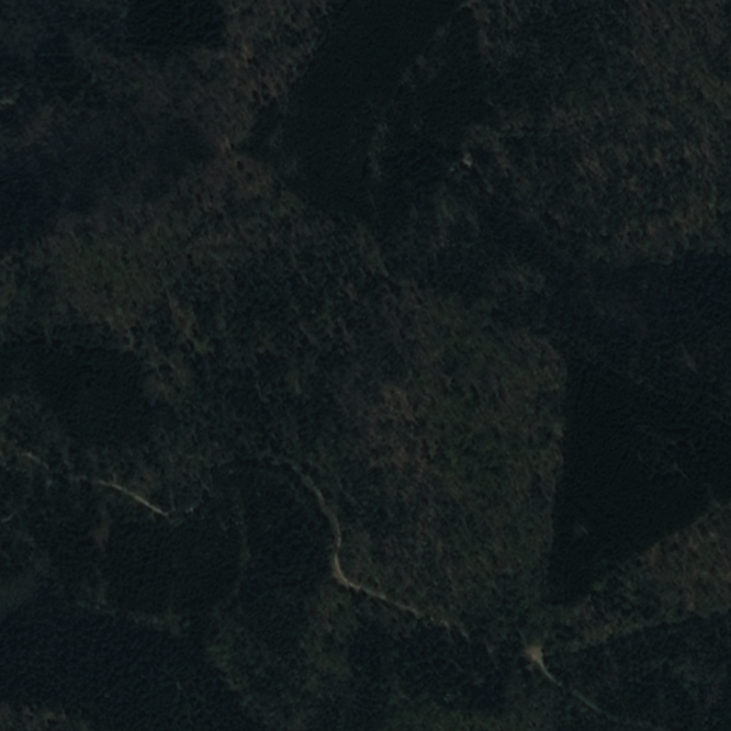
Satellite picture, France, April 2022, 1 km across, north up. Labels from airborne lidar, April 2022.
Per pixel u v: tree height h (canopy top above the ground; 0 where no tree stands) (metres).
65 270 20
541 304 21
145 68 22
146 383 22
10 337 22
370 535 15
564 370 21
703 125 26
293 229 26
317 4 26
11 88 29
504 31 13
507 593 22
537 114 24
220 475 23
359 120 16
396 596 18
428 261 18
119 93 13
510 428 24
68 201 12
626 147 21
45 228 16
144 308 16
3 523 20
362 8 20
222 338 10
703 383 25
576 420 20
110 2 18
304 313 25
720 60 24
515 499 22
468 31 14
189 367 24
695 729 24
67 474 21
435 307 21
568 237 22
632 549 18
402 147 18
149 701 31
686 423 14
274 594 27
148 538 20
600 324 17
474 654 39
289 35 26
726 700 28
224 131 16
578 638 19
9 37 19
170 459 19
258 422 30
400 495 17
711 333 19
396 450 14
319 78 18
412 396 20
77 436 21
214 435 27
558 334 17
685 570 25
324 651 25
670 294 15
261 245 22
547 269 22
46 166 13
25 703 15
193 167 10
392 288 18
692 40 23
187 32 20
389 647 28
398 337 16
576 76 22
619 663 20
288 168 16
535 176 25
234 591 24
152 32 22
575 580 17
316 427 25
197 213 16
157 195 12
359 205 18
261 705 18
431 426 17
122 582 19
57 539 19
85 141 18
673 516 19
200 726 30
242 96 15
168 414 34
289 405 24
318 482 20
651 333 20
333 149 18
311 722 24
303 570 22
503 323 21
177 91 26
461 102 17
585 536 13
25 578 14
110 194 15
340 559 17
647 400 19
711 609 23
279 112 17
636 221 25
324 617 21
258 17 17
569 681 14
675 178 26
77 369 21
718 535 25
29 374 22
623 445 17
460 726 23
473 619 23
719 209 26
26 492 22
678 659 19
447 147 15
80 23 19
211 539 27
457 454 21
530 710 24
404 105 16
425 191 20
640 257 25
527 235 26
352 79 18
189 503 14
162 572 22
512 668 36
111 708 28
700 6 25
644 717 23
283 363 28
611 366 10
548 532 19
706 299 19
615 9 28
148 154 21
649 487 20
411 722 22
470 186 23
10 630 28
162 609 26
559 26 22
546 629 19
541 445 24
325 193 18
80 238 16
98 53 15
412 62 19
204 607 26
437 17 18
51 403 19
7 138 15
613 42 23
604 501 19
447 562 18
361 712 24
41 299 19
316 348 27
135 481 21
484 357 29
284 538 36
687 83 27
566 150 21
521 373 18
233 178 16
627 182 26
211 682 30
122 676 33
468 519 18
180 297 26
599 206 23
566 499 17
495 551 20
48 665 22
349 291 12
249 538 21
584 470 18
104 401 20
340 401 24
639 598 21
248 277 28
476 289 26
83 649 27
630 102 24
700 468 16
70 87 14
